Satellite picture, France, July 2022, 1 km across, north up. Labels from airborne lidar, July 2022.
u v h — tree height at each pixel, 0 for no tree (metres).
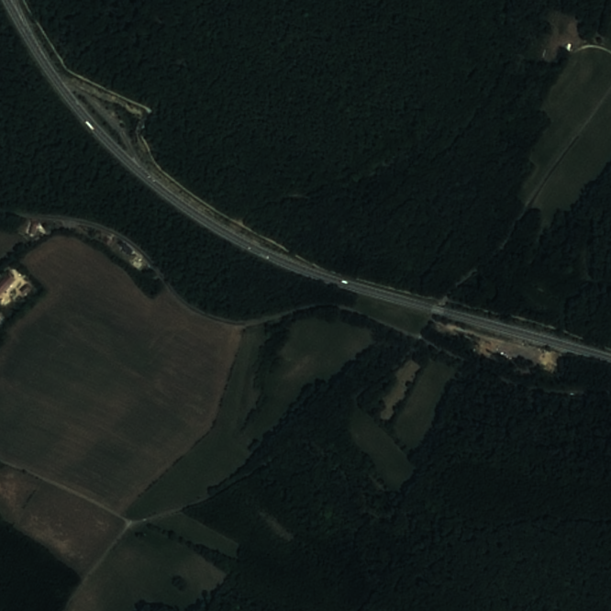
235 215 11
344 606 7
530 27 18
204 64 13
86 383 0
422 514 20
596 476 23
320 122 11
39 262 0
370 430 0
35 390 0
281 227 16
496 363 20
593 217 19
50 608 11
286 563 8
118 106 6
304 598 12
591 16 17
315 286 15
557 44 0
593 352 0
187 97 9
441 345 18
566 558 15
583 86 0
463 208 19
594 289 22
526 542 19
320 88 15
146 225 15
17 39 12
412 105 19
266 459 17
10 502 0
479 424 17
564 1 17
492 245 23
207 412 0
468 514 13
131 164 0
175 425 0
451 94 21
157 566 0
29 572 6
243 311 20
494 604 16
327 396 21
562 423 23
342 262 17
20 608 8
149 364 0
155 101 11
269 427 0
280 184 17
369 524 21
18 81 7
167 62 15
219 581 0
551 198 0
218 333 0
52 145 10
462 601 19
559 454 19
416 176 17
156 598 0
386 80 12
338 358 0
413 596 22
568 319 13
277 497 10
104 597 0
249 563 10
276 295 16
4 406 0
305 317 20
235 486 10
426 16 13
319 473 18
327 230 15
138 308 0
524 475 12
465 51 17
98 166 12
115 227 13
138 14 21
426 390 0
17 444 0
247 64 15
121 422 0
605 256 18
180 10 17
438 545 20
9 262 16
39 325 0
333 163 15
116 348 0
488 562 18
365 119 15
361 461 20
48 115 14
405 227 18
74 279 0
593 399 22
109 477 0
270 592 7
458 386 22
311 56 15
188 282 15
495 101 23
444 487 13
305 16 16
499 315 6
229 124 11
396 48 14
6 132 16
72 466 0
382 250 16
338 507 16
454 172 18
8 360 0
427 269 6
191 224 10
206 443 0
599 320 14
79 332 0
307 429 20
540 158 0
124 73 16
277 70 14
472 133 19
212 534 0
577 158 0
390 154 10
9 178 16
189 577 0
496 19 16
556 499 12
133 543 0
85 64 18
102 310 0
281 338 13
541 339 0
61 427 0
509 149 22
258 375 9
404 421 0
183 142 16
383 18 14
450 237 17
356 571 18
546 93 19
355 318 22
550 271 17
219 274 15
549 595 18
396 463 0
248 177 16
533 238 13
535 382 17
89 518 0
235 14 16
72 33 17
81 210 14
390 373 16
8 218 20
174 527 0
